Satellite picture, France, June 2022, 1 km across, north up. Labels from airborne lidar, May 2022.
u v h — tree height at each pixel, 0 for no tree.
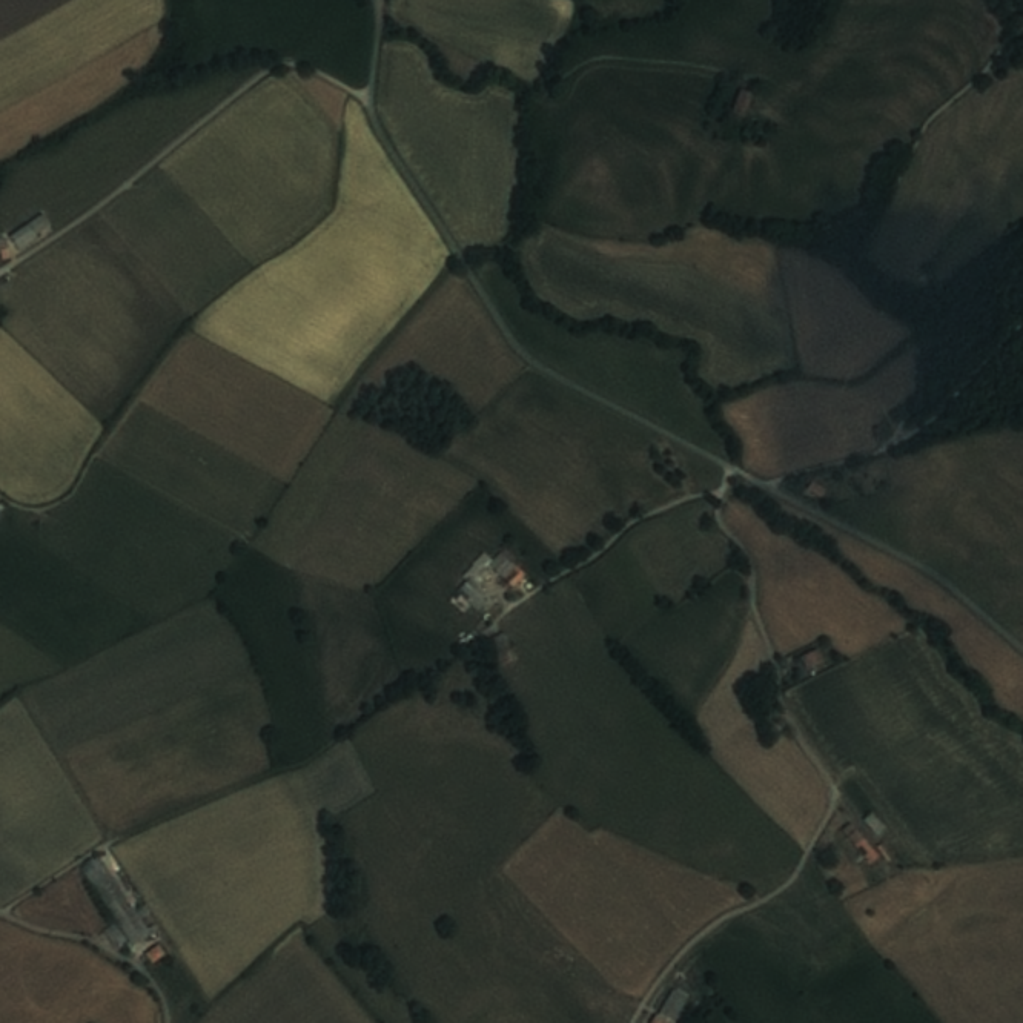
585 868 0
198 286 0
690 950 0
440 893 0
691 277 0
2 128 0
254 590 0
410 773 0
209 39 0
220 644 0
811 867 0
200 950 0
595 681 0
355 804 0
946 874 0
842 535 0
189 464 0
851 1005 0
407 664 0
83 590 0
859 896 0
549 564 11
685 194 0
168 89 8
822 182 0
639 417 0
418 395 16
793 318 0
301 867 0
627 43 0
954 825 0
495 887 0
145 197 0
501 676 14
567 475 0
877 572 0
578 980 0
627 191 0
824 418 0
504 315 0
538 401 0
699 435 0
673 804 0
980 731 0
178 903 0
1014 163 0
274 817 0
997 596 0
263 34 0
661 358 0
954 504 0
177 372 0
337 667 0
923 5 0
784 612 0
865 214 13
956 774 0
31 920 0
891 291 13
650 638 0
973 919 0
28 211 0
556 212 0
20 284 0
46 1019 0
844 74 0
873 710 0
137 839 0
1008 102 0
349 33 0
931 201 0
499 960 0
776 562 0
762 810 0
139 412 0
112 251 0
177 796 0
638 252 0
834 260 20
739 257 0
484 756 0
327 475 0
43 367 0
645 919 0
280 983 0
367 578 0
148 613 0
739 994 0
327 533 0
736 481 14
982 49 0
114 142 0
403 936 0
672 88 0
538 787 0
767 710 12
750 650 0
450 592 0
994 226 0
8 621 0
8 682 0
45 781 0
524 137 17
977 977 0
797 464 0
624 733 0
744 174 0
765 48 0
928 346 12
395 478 0
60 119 0
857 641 0
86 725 0
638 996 0
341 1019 0
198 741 0
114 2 0
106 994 0
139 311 0
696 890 0
